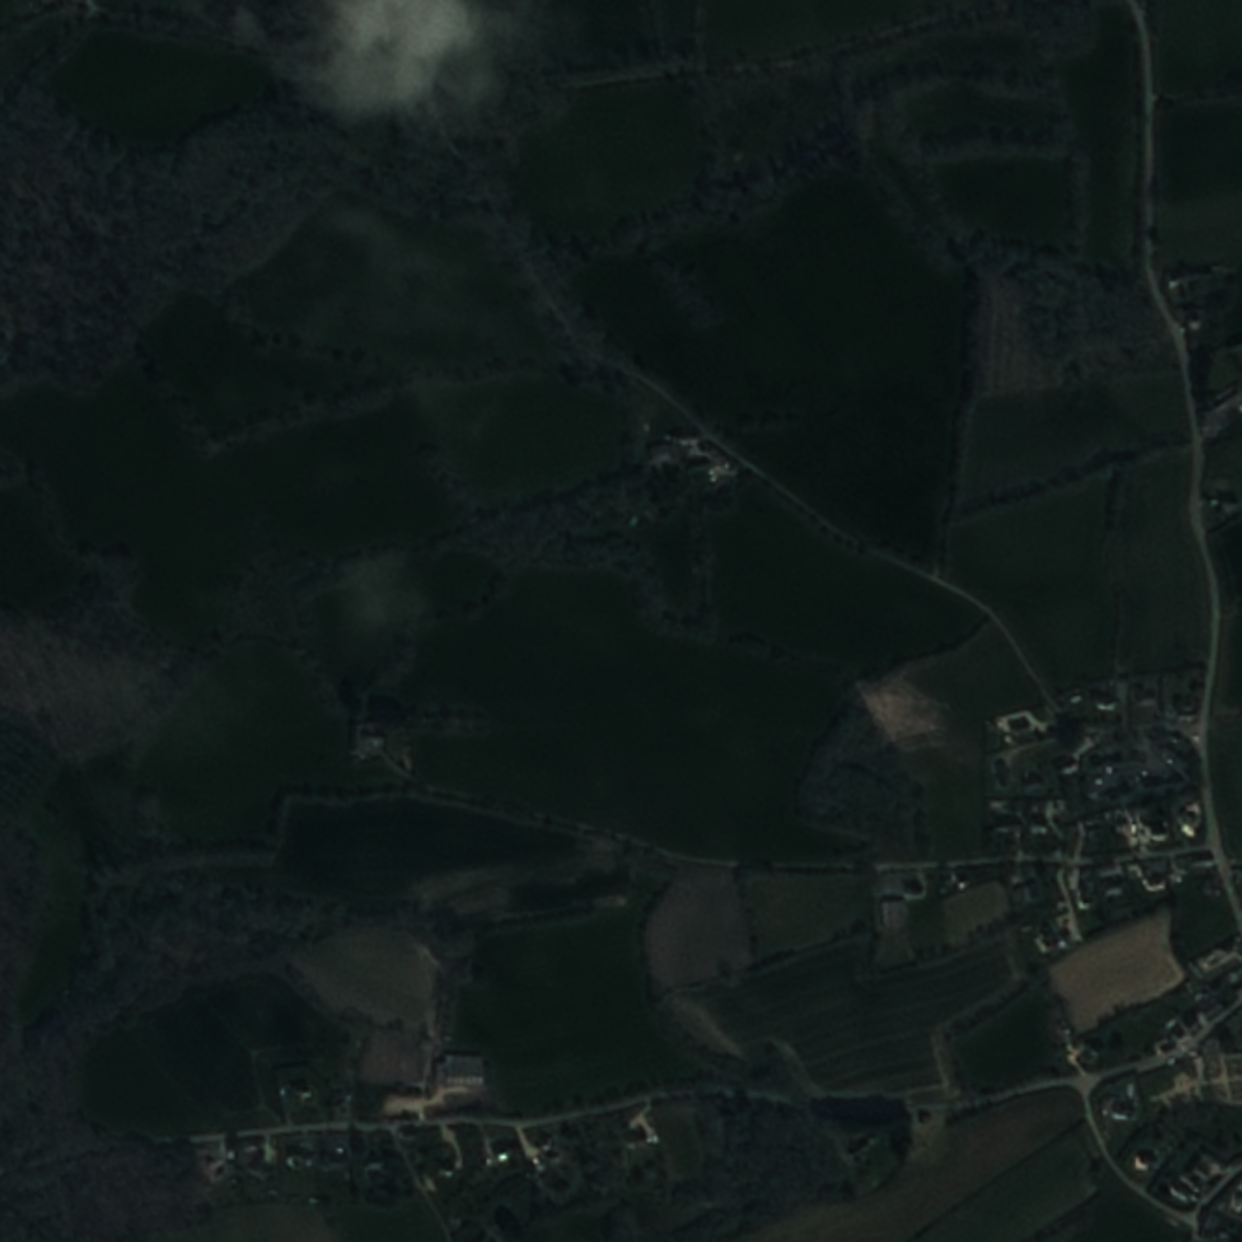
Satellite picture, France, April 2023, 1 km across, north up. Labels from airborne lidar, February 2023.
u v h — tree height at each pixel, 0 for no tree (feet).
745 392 0
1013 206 0
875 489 0
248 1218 0
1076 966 0
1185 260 0
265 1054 0
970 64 0
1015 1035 0
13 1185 73
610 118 0
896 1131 67
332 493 0
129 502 0
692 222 47
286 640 0
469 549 23
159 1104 0
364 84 0
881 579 0
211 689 0
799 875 19
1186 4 0
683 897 0
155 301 71
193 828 0
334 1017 0
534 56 52
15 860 43
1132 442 0
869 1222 0
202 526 0
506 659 0
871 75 0
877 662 0
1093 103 0
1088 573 0
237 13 65
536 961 0
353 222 0
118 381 0
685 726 0
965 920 0
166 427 0
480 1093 0
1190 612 0
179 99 0
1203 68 0
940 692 0
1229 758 0
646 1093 33
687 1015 0
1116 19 0
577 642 0
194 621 0
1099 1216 0
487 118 61
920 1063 0
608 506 60
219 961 52
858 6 0
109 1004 72
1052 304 28
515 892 0
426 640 0
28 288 59
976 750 0
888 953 0
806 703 0
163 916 36
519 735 0
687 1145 0
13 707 67
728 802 0
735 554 0
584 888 0
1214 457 0
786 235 0
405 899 0
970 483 0
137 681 52
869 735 34
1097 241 0
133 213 66
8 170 77
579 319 64
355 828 0
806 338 0
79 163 69
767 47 0
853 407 0
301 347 38
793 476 0
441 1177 0
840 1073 0
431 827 0
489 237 53
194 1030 0
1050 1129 0
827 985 0
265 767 0
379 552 19
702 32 27
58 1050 71
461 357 0
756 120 0
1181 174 0
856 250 0
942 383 0
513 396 0
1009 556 0
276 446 0
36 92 54
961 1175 0
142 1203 72
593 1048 0
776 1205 49
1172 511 0
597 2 0
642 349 0
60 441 0
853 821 41
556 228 0
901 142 67
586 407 0
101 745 69
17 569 0
